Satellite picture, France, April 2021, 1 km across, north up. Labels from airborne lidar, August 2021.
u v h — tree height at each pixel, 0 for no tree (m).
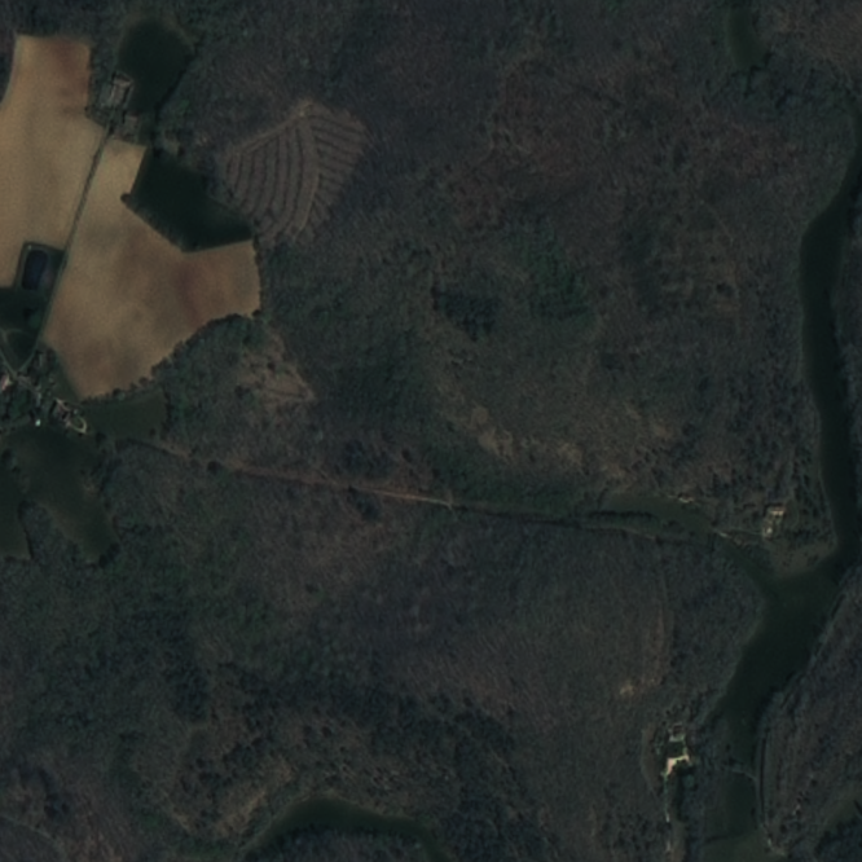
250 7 18
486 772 17
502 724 14
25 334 0
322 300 22
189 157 19
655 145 10
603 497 16
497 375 17
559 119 7
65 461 0
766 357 9
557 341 16
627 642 13
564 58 15
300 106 19
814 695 10
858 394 14
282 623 21
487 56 16
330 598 19
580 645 14
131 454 21
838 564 0
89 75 9
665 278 6
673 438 11
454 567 11
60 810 24
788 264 19
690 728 16
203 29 23
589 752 16
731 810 0
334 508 16
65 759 20
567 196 8
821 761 11
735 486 10
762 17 11
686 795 20
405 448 9
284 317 18
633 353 6
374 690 11
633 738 15
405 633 11
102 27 19
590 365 18
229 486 22
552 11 13
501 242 18
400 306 15
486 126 11
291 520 15
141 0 16
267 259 20
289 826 0
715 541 8
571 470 9
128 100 0
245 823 11
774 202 19
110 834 16
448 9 12
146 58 0
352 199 15
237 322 15
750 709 0
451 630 13
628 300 7
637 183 19
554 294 9
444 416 10
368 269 16
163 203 0
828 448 0
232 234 0
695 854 21
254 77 17
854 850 21
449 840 21
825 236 0
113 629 18
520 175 8
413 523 21
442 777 15
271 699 18
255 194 0
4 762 17
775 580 0
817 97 24
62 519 0
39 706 25
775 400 19
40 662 24
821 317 0
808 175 16
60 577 23
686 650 15
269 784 17
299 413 20
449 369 15
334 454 16
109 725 21
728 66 19
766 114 20
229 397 21
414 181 15
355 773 19
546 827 8
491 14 14
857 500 20
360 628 14
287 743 17
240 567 19
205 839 15
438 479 17
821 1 13
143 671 22
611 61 16
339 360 21
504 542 15
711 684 23
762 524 17
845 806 0
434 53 6
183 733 19
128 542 22
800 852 22
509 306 15
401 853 12
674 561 13
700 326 17
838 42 14
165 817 13
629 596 13
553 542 20
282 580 18
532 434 12
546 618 19
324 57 16
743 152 5
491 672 13
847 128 20
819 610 0
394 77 7
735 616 19
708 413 15
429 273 12
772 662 0
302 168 0
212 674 15
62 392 0
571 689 17
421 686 15
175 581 19
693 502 6
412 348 19
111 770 16
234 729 8
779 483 12
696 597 17
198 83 21
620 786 14
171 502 23
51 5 8
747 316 14
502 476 19
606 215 9
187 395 21
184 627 20
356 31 11
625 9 17
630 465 12
